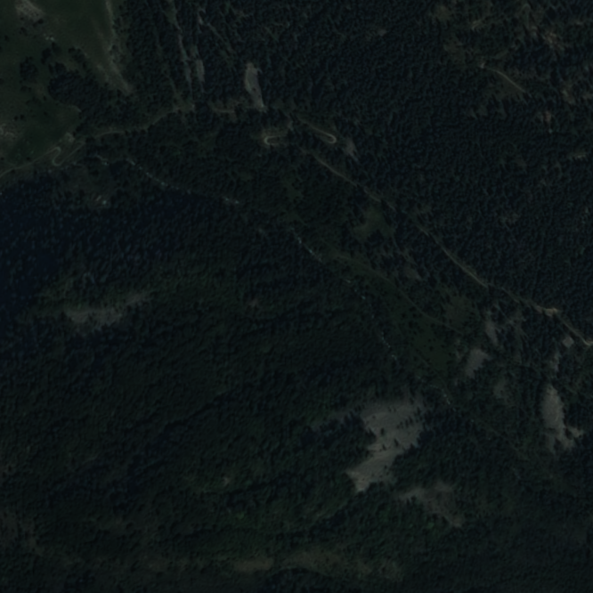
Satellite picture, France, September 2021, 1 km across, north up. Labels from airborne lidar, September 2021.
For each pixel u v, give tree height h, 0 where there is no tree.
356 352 10
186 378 19
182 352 18
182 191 10
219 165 15
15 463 5
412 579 19
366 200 29
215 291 16
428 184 18
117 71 0
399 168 14
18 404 13
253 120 33
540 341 25
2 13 0
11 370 9
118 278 12
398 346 14
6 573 10
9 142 0
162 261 33
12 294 15
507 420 15
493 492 11
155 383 17
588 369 9
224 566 13
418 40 11
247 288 14
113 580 11
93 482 14
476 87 7
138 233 25
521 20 7
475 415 10
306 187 10
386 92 23
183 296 15
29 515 11
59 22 0
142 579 8
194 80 14
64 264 6
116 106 7
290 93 26
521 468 11
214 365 15
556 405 0
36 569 10
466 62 8
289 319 15
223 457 15
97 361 17
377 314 8
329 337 11
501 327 23
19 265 16
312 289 15
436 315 11
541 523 7
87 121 12
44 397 15
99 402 16
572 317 27
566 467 10
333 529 12
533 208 18
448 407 6
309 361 13
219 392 15
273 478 11
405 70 31
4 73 0
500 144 20
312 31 23
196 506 11
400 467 15
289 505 7
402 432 0
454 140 23
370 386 15
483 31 9
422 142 7
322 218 15
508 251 31
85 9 0
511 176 12
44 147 0
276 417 16
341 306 12
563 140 13
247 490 14
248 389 18
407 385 12
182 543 15
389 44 15
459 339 9
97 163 16
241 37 29
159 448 8
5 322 6
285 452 13
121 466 15
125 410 19
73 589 13
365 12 8
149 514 10
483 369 7
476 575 13
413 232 31
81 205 9
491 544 8
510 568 11
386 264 6
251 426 20
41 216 14
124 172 15
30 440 12
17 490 9
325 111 14
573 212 14
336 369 23
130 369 18
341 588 12
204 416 18
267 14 19
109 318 9
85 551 14
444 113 26
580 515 9
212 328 16
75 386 10
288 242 13
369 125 15
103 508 12
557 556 18
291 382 18
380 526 10
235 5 21
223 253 18
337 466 16
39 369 12
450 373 8
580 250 8
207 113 30
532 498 16
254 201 10
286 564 8
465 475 20
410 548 8
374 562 17
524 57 27
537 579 13
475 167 17
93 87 17
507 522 8
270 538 10
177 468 17
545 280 17
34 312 7
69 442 10
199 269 17
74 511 13
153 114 10
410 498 0
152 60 22
